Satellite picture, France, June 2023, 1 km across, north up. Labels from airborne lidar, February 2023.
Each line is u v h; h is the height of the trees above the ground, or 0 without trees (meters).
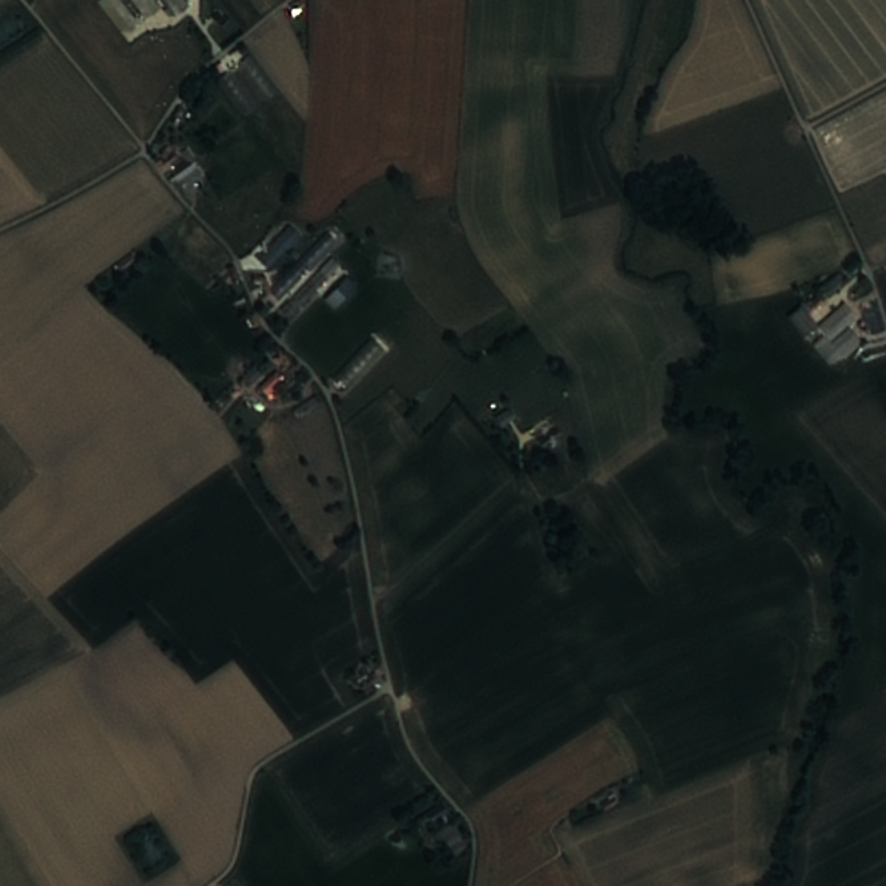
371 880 0
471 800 0
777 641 0
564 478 0
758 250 0
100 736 0
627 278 0
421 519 0
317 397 6
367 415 0
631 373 0
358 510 0
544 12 0
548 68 0
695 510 0
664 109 0
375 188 0
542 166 0
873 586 0
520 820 0
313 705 0
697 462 0
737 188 0
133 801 0
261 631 0
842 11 0
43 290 0
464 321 0
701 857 0
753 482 0
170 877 0
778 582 0
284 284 0
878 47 0
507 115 0
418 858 0
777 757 0
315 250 0
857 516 0
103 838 0
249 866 0
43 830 0
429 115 0
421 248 0
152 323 0
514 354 0
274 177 0
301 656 0
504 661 0
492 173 0
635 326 0
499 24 0
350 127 0
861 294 0
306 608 0
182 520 0
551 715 0
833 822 0
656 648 0
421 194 0
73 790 0
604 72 0
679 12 0
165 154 0
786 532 0
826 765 0
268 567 0
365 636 0
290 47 0
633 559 0
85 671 0
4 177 0
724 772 0
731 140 0
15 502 0
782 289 0
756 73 0
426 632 0
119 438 0
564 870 0
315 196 0
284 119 0
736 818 0
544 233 0
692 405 0
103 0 0
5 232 0
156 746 0
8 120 0
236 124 0
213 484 0
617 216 0
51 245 0
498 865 0
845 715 0
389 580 0
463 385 0
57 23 0
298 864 0
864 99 0
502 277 0
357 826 0
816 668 0
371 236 11
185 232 0
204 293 0
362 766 0
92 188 0
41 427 0
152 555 0
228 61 0
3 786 0
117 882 0
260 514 0
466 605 0
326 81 0
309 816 0
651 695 0
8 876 0
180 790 0
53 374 0
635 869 0
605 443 0
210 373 0
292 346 0
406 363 0
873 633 0
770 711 0
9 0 0
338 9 0
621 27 0
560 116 0
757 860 0
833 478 0
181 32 0
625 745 0
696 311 21
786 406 0
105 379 0
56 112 0
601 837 0
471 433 0
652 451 0
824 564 0
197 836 0
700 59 0
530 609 0
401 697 0
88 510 0
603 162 0
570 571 6
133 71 0
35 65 0
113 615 0
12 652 0
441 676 0
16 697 0
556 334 0
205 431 0
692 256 0
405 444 0
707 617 0
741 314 0
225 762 0
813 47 0
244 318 10
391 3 0
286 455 0
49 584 0
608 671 0
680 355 0
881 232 0
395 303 0
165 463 0
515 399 0
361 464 0
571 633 0
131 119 0
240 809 0
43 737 0
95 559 0
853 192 0
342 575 0
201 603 0
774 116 0
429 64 0
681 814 0
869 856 0
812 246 0
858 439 0
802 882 0
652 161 0
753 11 0
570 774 0
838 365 0
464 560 0
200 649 0
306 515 0
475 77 0
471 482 0
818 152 0
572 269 0
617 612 0
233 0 0
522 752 0
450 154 0
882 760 0
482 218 0
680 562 0
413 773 0
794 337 0
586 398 0
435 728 0
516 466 14
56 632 0
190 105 11
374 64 0
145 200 0
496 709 0
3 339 0
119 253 0
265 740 0
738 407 0
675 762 0
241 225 0
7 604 0
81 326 0
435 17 0
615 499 0
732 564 0
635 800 0
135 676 0
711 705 0
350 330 0
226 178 0
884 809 0
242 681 0
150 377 0
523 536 0
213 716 0
